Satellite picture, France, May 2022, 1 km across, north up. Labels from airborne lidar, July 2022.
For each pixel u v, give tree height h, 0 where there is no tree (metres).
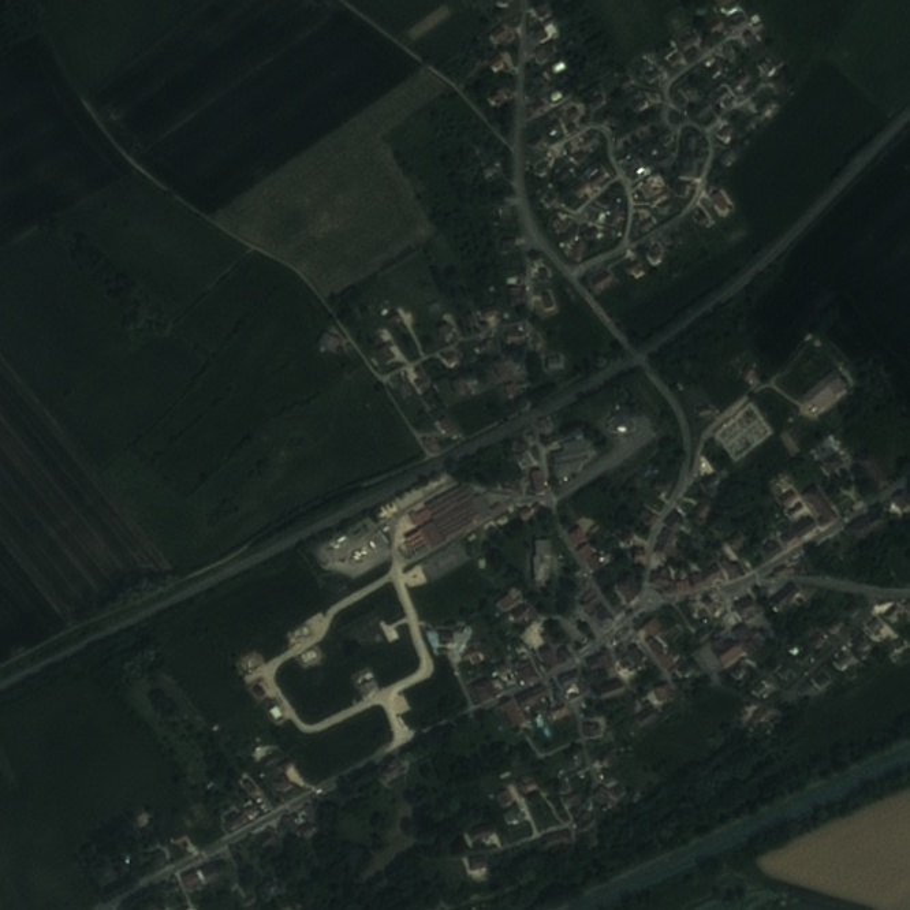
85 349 0
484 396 0
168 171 0
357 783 17
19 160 0
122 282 19
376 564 0
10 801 0
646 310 0
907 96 0
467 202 7
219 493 0
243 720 0
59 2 0
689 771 19
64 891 0
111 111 0
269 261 0
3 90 0
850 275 0
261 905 14
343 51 0
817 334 12
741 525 14
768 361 0
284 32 0
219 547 0
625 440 0
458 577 0
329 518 0
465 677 0
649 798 14
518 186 0
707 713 0
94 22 0
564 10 6
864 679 0
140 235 0
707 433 0
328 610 0
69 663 10
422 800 16
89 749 0
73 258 11
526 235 0
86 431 0
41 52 0
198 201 0
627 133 0
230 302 0
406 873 25
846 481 8
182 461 0
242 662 0
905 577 0
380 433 0
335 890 18
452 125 6
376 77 0
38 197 0
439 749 19
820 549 14
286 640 0
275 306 0
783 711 11
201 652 0
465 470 14
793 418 0
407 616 0
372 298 0
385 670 0
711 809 26
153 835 10
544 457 0
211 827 0
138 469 0
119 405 0
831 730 0
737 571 0
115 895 12
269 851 14
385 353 0
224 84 0
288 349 0
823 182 0
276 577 0
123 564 0
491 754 23
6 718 0
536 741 6
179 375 0
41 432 0
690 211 0
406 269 0
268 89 0
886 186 0
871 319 0
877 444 0
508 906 8
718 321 9
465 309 10
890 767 0
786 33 0
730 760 15
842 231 0
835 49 0
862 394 14
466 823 18
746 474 0
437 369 6
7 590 0
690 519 9
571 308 0
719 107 6
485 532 0
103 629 9
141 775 0
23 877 0
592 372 17
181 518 0
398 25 0
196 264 0
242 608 0
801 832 16
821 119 0
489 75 8
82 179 0
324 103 0
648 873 0
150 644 26
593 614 0
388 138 12
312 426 0
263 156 0
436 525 0
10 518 0
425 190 0
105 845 19
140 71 0
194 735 7
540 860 21
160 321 16
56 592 0
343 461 0
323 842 17
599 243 10
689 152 7
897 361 0
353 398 0
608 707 10
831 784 0
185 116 0
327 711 0
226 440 0
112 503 0
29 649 0
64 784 0
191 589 0
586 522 0
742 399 0
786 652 5
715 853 0
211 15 0
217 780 17
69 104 0
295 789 0
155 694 15
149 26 0
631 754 7
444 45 0
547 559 0
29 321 0
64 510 0
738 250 0
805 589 0
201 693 0
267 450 0
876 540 13
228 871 8
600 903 0
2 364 0
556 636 14
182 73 0
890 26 0
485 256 8
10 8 25
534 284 0
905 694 0
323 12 0
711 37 12
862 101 0
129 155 0
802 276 0
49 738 0
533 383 14
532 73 8
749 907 0
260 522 0
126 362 0
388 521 0
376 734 11
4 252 0
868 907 0
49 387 0
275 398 0
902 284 0
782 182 0
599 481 8
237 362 0
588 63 10
